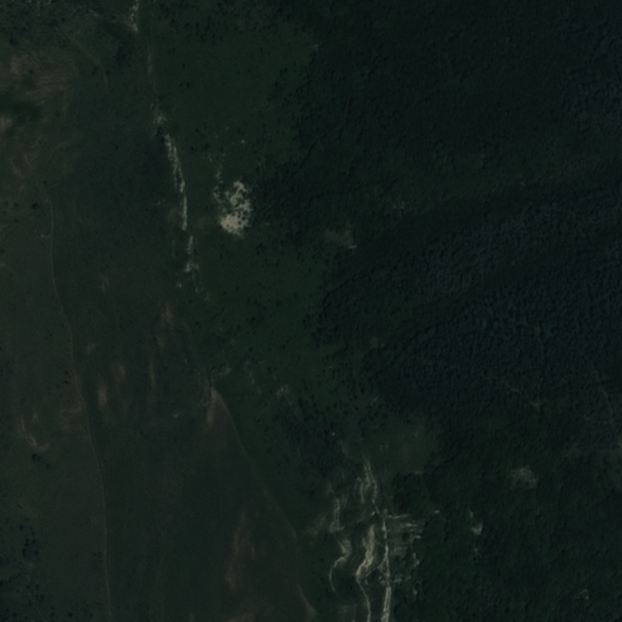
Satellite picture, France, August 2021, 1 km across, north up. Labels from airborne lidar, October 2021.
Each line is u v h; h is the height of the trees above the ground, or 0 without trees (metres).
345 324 16
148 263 0
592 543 16
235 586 0
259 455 0
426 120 18
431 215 15
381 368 14
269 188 9
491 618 22
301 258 7
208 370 0
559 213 10
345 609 0
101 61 0
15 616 8
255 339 0
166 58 0
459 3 17
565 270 20
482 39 20
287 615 0
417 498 13
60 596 0
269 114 0
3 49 0
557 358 20
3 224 0
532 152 18
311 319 12
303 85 6
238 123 0
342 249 7
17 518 0
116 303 0
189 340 0
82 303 0
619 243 21
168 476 0
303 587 0
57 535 0
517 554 14
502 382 17
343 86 19
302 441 8
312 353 0
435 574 17
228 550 0
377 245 13
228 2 16
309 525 0
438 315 23
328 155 17
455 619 8
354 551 0
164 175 0
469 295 16
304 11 19
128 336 0
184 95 0
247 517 0
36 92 0
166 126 0
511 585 18
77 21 0
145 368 0
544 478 12
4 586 14
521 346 19
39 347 0
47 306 0
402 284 15
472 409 17
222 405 0
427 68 20
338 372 8
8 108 0
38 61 0
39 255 0
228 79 0
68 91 0
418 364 17
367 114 17
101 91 0
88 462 0
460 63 18
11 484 0
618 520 16
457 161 20
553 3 17
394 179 13
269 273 0
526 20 21
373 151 22
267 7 6
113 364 0
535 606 14
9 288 0
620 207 19
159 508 0
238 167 0
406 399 14
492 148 16
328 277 10
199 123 0
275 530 0
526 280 20
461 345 21
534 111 21
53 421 0
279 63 0
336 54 14
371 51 13
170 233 0
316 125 12
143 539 0
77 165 0
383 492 7
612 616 23
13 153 0
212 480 0
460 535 16
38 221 0
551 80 21
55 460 0
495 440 17
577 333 22
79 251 0
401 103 19
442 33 20
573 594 15
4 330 0
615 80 16
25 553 11
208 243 0
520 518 10
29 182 0
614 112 17
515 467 10
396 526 0
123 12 0
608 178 16
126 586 0
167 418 0
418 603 13
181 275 0
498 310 17
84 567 0
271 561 0
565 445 9
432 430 8
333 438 12
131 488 0
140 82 0
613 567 16
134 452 0
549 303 16
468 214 13
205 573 0
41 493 0
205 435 0
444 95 20
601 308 13
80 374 0
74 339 0
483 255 20
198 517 0
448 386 16
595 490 18
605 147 18
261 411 0
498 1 15
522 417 15
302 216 11
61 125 0
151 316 0
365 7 14
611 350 22
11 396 0
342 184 14
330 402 0
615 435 10
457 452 13
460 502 19
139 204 0
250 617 0
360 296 21
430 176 18
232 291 0
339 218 16
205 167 0
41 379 0
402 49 16
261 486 0
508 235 17
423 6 20
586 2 19
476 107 20
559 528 17
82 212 0
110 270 0
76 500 0
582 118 23
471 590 14
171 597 0
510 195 13
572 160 16
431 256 19
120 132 0
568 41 18
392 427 0
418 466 0
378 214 19
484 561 11
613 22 21
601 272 11
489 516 13
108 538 0
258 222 7
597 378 9
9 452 0
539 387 16
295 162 9
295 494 0
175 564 0
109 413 0
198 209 0
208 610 0
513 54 21
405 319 20
